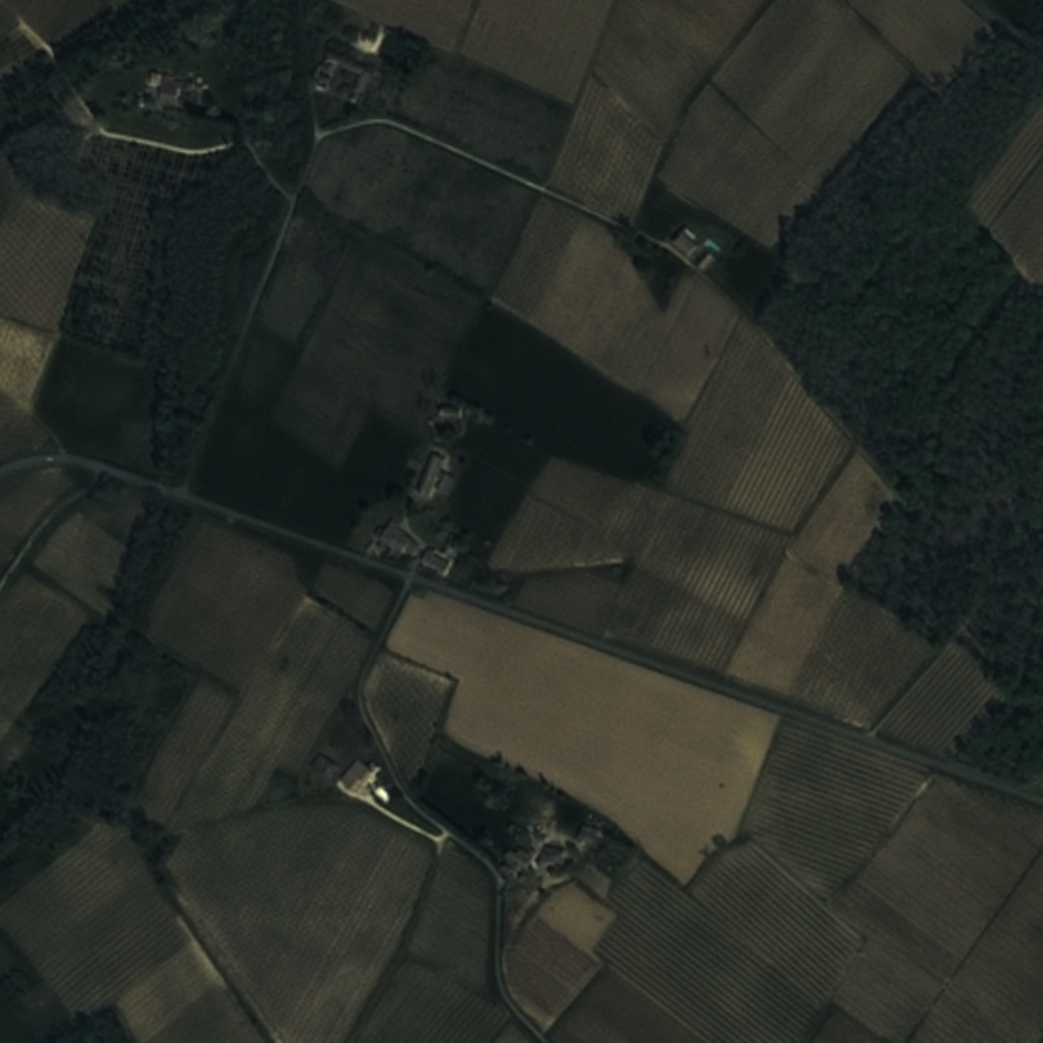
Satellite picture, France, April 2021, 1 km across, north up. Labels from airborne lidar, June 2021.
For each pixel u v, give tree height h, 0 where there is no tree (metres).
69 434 0
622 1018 0
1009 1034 0
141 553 20
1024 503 18
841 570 0
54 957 0
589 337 0
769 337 12
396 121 6
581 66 0
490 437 0
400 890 0
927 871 0
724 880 0
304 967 0
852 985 0
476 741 0
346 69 7
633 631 0
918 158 20
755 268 0
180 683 8
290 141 17
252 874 0
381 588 0
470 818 0
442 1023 0
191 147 0
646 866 0
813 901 0
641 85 0
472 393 0
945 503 8
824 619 0
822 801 0
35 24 0
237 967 0
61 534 0
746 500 0
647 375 0
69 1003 0
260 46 25
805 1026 0
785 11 0
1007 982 0
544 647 0
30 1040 0
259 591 0
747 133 0
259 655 0
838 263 24
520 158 0
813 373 19
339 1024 0
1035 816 0
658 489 0
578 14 0
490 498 0
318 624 0
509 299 0
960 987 0
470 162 0
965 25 0
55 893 0
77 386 0
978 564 23
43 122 16
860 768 0
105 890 0
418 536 0
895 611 16
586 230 0
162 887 11
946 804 0
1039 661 16
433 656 0
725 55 0
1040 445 25
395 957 0
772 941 0
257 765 0
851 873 0
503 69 0
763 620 0
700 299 0
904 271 21
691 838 0
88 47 17
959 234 23
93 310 10
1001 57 23
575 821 0
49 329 0
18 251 0
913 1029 0
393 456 0
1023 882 0
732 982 0
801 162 0
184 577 0
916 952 0
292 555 0
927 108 22
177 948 0
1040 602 20
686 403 0
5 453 0
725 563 0
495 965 0
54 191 21
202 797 0
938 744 0
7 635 0
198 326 21
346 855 0
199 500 0
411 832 0
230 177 19
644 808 0
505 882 7
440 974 0
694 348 0
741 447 0
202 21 38
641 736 0
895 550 17
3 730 0
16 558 0
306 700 0
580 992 0
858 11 0
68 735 11
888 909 0
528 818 0
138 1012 0
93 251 7
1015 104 26
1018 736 22
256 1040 0
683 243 0
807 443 0
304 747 0
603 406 0
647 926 0
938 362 24
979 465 20
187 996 0
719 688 0
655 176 0
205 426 10
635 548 0
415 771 0
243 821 0
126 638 16
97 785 20
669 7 0
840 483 0
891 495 0
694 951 0
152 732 7
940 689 0
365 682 0
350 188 0
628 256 0
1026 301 23
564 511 0
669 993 0
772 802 0
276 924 0
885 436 18
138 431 0
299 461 0
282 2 21
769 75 0
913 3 0
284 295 0
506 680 0
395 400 0
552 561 0
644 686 0
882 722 0
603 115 0
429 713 0
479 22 0
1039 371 25
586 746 0
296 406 0
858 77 0
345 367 0
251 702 0
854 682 0
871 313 22
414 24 0
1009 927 0
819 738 0
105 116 17
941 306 25
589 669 0
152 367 11
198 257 25
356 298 0
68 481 0
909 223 22
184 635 0
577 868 9
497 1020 0
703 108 0
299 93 7
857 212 22
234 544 0
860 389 24
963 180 17
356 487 0
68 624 0
